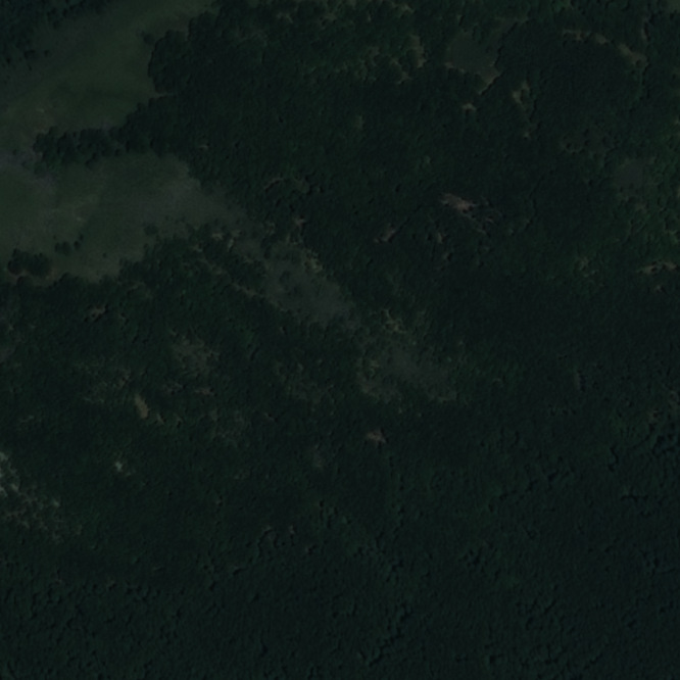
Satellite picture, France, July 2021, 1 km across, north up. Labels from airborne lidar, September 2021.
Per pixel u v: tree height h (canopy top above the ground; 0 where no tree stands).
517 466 31
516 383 16
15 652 24
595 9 28
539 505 33
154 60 12
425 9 17
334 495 26
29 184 0
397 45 15
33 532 12
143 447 16
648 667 29
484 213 34
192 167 10
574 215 33
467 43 0
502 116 19
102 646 26
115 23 0
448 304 22
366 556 22
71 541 17
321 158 25
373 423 26
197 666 21
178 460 25
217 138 28
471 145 23
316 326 15
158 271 16
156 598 23
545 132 21
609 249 18
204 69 24
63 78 0
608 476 30
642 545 30
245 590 28
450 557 29
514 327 22
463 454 26
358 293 16
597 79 32
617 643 28
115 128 9
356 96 18
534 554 30
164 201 0
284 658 26
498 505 30
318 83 9
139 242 0
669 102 29
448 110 23
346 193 27
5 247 0
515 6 23
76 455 18
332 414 11
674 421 25
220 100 20
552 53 33
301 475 26
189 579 25
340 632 29
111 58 0
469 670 30
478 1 8
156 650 30
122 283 9
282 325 20
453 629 31
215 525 18
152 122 14
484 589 29
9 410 14
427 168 12
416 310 15
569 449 30
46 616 29
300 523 26
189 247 8
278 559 29
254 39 14
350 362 13
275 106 26
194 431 20
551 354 31
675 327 30
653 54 16
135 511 21
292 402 20
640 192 10
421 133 18
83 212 0
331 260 14
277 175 29
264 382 19
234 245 8
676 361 34
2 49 18
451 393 6
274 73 19
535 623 27
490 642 28
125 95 0
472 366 11
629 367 29
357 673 30
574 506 29
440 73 24
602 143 7
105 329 21
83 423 16
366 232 26
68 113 0
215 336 19
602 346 26
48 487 12
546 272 18
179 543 18
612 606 31
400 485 25
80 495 18
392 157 22
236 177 20
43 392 22
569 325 27
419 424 15
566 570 28
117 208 0
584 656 33
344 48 17
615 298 22
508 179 20
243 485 17
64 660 25
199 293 26
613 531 33
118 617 27
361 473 22
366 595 26
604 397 31
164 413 20
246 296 17
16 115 0
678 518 33
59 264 0
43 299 17
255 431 19
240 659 28
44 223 0
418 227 30
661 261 24
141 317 24
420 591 24
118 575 28
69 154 17
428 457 28
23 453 15
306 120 23
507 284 22
